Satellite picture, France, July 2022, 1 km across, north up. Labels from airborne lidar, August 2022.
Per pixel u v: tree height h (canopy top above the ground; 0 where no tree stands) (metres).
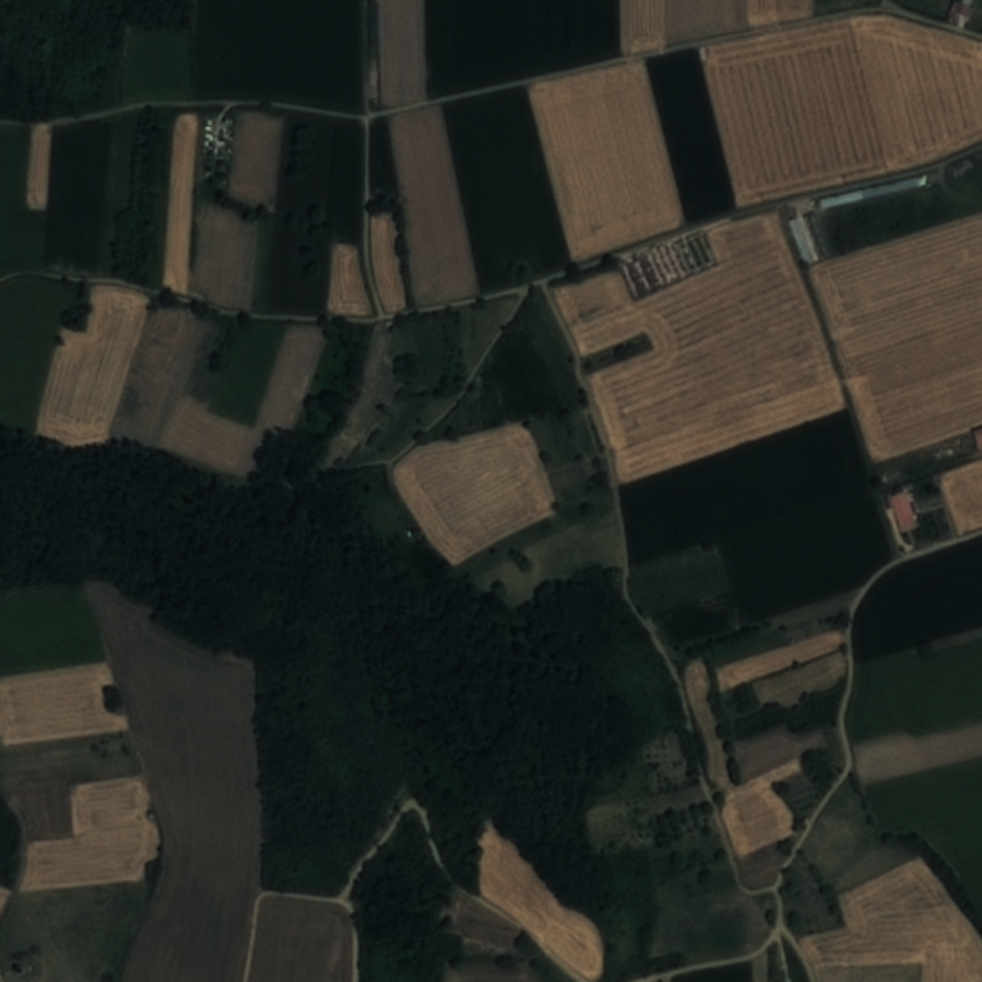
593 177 0
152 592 19
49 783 0
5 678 0
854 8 0
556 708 16
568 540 0
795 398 0
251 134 0
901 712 0
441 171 0
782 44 0
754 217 0
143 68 0
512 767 11
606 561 0
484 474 0
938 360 0
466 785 6
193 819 0
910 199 0
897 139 0
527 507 0
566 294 0
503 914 0
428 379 0
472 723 22
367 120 0
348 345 12
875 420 0
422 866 10
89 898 0
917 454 0
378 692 12
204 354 0
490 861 0
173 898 0
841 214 0
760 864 0
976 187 0
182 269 0
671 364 0
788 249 0
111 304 0
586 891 16
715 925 0
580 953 0
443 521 0
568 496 0
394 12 0
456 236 0
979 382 0
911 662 0
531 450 0
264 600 6
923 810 0
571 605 19
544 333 0
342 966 0
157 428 0
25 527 10
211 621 13
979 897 0
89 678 0
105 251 0
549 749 14
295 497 6
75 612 0
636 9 0
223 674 0
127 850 0
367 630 20
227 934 0
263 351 0
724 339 0
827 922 0
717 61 0
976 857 0
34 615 0
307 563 12
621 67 0
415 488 0
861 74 0
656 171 0
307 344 0
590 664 10
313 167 10
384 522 0
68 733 0
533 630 14
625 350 8
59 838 0
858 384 0
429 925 13
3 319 0
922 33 0
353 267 0
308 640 12
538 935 0
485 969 0
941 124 0
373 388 0
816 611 0
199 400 0
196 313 11
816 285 0
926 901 0
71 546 13
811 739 0
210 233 0
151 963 0
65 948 0
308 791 10
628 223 0
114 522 18
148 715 0
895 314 0
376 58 0
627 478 0
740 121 0
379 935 18
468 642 13
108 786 0
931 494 7
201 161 0
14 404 0
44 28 7
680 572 0
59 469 20
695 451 0
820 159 0
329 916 0
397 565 15
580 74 0
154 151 16
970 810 0
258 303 0
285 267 0
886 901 0
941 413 0
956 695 0
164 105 0
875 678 0
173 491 21
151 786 0
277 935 0
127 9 17
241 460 0
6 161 0
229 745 0
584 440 0
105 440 0
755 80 0
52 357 0
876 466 0
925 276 0
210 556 12
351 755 6
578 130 0
